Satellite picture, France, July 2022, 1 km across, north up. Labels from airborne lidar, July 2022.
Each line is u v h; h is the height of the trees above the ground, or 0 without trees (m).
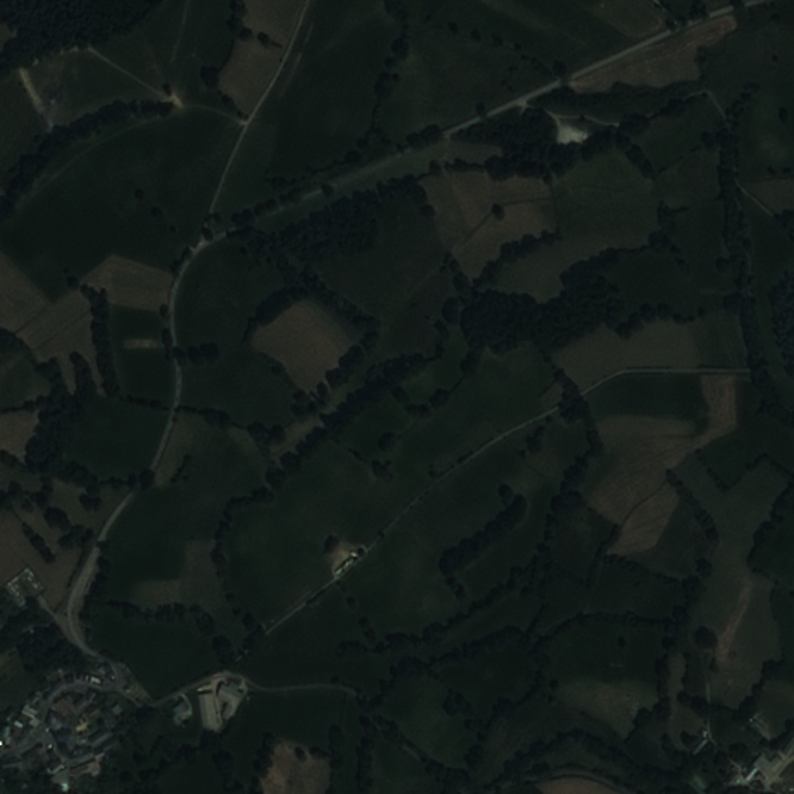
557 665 0
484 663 0
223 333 0
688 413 0
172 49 0
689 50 0
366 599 0
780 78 0
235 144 0
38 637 20
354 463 0
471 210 0
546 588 6
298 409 19
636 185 0
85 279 0
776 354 0
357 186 0
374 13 0
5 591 6
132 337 0
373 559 0
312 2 0
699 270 0
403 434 0
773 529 17
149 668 0
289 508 0
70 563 0
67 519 22
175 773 0
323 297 18
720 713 8
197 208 0
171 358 11
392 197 22
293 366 0
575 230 0
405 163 0
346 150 0
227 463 0
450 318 24
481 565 0
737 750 12
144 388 0
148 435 0
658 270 0
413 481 0
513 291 0
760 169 0
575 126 0
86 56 0
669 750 16
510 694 0
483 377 0
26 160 17
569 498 19
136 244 0
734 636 0
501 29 0
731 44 0
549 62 0
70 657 20
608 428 0
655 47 0
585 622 16
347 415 26
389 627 0
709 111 0
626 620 9
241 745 0
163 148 0
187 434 0
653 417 0
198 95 0
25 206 0
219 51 0
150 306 0
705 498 0
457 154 0
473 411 0
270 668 0
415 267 0
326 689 0
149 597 0
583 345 0
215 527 0
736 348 0
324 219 23
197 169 0
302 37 0
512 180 0
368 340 17
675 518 0
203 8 0
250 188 0
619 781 14
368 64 0
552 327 9
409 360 17
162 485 0
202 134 0
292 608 0
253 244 20
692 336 0
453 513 0
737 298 16
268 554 0
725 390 0
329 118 0
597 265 22
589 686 0
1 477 0
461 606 0
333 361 0
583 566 0
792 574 0
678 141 0
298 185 7
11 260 0
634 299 0
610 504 0
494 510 0
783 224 15
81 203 0
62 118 0
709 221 0
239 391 0
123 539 0
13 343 19
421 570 0
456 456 0
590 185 0
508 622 0
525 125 8
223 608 0
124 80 0
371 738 6
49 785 13
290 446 0
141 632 0
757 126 0
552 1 0
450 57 0
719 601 0
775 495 0
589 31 0
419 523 0
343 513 0
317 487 0
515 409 0
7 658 0
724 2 0
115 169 0
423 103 0
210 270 0
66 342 0
